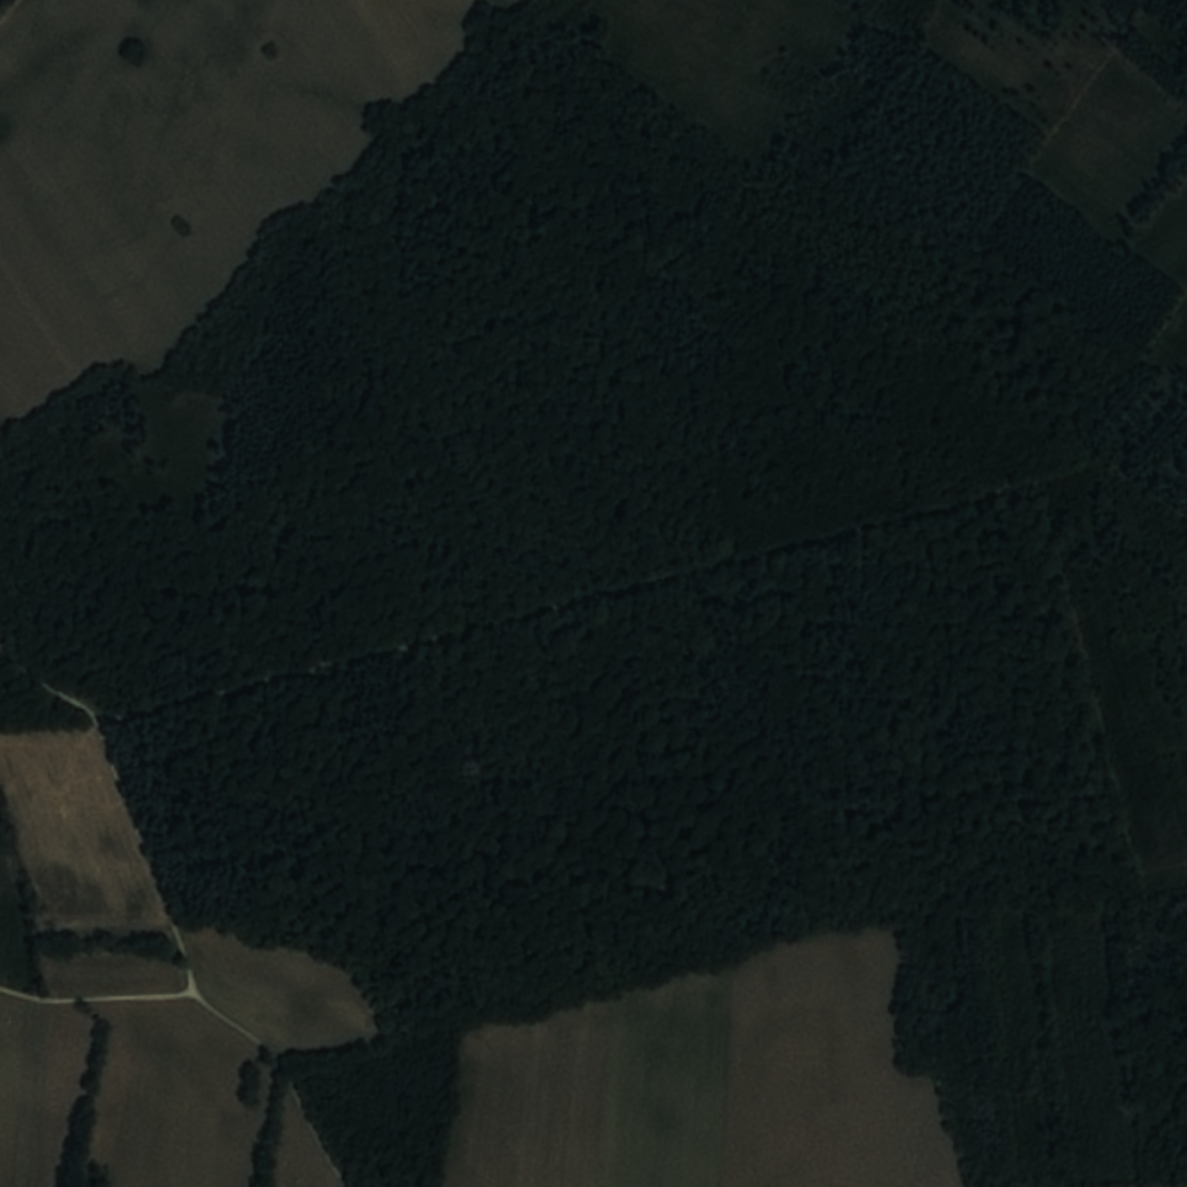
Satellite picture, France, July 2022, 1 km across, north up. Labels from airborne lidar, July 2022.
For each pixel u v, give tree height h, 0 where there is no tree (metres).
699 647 26
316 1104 8
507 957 20
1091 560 11
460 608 24
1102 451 20
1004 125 26
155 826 25
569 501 19
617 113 19
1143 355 13
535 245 21
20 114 0
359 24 0
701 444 22
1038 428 19
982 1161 14
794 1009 0
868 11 24
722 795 28
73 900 0
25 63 0
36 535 24
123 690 18
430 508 22
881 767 27
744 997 0
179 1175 0
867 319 22
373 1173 7
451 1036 9
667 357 22
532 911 25
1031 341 28
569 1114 0
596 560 27
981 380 23
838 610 30
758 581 26
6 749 0
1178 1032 10
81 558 23
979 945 15
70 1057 0
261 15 0
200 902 28
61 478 23
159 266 0
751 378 23
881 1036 0
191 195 0
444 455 24
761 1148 0
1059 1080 11
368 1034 0
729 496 13
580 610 21
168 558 24
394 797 17
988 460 24
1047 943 16
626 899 21
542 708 26
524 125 23
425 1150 10
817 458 20
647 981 20
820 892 19
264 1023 0
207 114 0
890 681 21
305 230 19
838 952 0
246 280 11
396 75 0
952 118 33
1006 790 10
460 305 18
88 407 20
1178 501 21
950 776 28
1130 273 18
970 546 28
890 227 18
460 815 20
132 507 22
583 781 19
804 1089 0
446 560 19
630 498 20
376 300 22
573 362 23
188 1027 0
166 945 22
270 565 21
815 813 28
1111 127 0
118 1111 0
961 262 26
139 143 0
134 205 0
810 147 10
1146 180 0
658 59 0
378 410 19
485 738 20
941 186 24
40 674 20
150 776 27
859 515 10
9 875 0
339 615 27
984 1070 16
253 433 20
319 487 23
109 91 0
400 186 22
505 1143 0
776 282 16
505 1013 21
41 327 0
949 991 16
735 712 20
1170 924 14
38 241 0
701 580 22
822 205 15
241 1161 0
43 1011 0
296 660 23
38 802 0
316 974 0
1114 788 29
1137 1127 9
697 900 19
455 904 29
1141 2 18
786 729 19
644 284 20
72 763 0
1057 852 22
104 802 0
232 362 18
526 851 26
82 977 0
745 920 18
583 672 23
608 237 24
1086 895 22
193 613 25
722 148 13
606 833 30
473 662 25
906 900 19
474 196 18
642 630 23
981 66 0
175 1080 0
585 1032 0
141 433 19
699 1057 0
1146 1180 10
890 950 0
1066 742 18
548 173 22
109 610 27
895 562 24
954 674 26
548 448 23
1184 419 20
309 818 21
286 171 0
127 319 0
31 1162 0
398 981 19
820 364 26
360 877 18
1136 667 8
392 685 18
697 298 18
